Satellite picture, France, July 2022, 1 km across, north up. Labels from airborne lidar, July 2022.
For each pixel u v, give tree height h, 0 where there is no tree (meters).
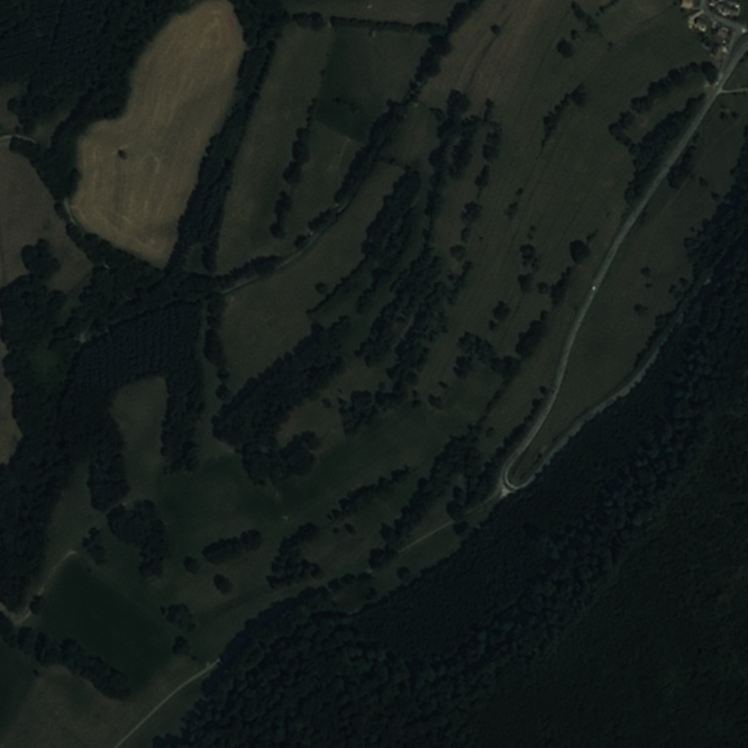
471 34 0
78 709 0
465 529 21
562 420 0
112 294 18
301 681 29
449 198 0
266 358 0
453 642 15
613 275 0
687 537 10
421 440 0
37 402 29
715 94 0
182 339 23
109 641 0
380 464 0
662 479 20
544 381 0
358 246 0
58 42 20
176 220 0
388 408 18
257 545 20
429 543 0
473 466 17
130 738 0
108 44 24
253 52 10
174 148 0
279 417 26
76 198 0
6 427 0
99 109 23
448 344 0
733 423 7
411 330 8
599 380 0
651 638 14
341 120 0
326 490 0
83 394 24
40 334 16
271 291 0
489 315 0
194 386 23
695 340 26
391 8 0
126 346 22
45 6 15
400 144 0
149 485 0
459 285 17
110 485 23
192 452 21
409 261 0
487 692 27
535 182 0
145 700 0
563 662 8
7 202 0
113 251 16
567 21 0
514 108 0
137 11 23
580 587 12
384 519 0
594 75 0
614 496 32
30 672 0
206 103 0
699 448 22
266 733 29
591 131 0
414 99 10
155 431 0
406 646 13
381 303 0
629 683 8
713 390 28
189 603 0
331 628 25
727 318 28
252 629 20
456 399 0
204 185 18
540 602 29
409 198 18
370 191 0
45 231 0
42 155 20
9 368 15
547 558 12
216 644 0
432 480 9
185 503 0
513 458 0
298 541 19
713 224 9
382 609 13
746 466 11
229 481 0
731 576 6
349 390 0
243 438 23
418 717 9
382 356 11
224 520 0
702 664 9
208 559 12
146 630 0
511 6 0
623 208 0
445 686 30
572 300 0
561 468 10
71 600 0
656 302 0
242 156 0
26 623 0
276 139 0
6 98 0
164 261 0
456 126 24
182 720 0
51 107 19
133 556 0
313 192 0
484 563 15
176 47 0
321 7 0
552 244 0
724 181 0
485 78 0
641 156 20
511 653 30
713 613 6
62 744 0
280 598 0
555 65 0
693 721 14
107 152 0
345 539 0
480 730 13
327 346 16
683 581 10
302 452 26
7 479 21
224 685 31
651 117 0
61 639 0
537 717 13
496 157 15
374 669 34
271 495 0
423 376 0
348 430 14
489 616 13
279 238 21
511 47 0
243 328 0
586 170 0
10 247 0
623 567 18
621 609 7
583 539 36
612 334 0
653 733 9
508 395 0
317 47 0
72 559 0
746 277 25
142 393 0
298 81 0
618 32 0
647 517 26
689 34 0
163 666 0
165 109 0
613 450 9
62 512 0
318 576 21
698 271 11
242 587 0
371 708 30
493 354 22
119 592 0
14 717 0
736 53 0
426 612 13
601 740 7
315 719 25
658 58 0
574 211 0
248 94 6
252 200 0
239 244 0
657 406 7
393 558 23
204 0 0
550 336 0
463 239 7
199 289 21
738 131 0
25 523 33
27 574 15
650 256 0
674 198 0
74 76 16
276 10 18
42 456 26
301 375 21
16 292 22
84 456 20
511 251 0
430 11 0
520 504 10
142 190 0
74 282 0
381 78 0
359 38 0
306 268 0
